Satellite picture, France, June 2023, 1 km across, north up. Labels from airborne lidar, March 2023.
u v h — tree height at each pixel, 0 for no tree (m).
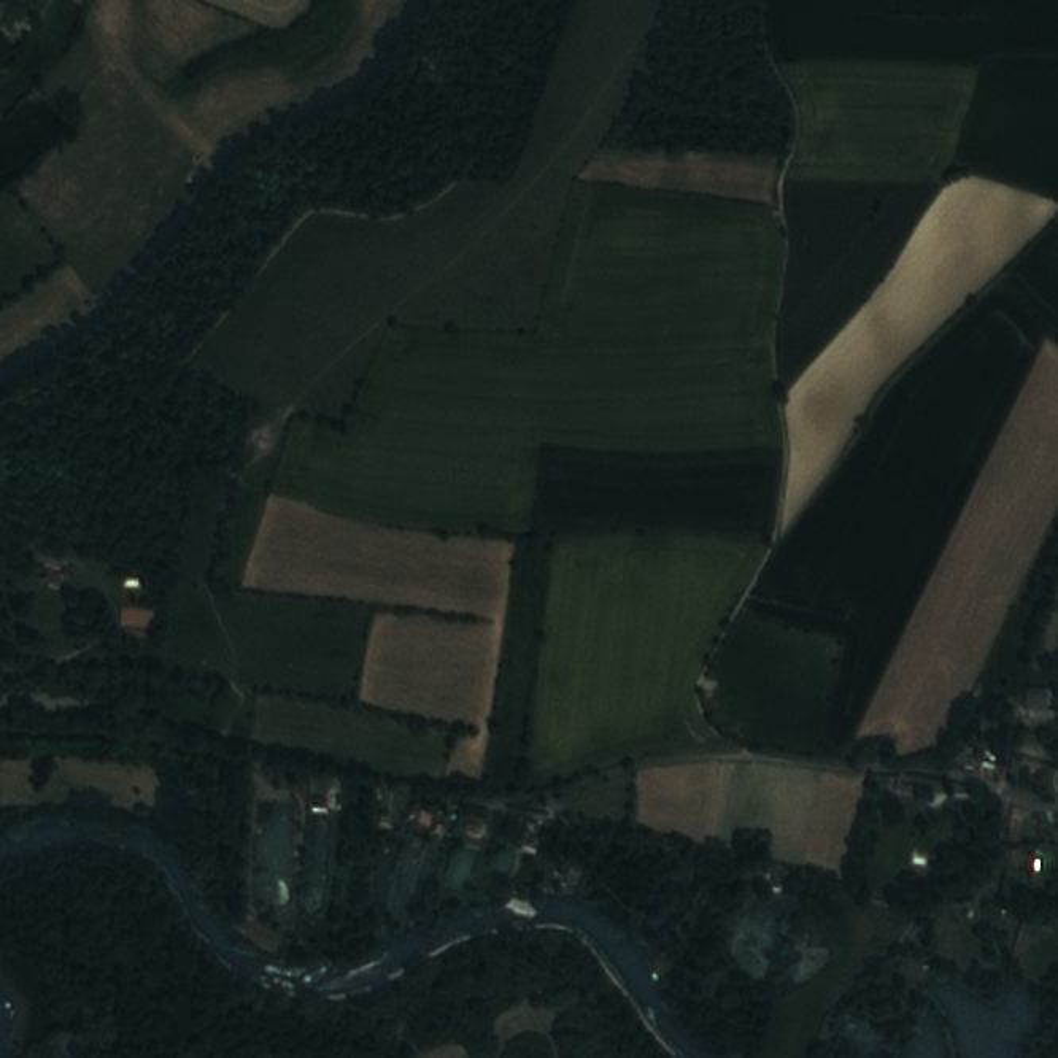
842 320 0
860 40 0
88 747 11
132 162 0
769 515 0
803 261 0
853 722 0
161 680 21
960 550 0
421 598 0
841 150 0
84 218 0
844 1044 9
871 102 0
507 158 14
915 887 21
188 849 18
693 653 0
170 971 11
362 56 0
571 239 0
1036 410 0
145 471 21
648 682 0
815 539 0
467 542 0
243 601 0
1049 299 0
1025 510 0
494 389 0
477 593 0
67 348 27
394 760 0
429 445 0
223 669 0
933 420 0
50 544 21
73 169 0
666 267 0
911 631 0
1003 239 0
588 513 0
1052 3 0
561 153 0
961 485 0
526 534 8
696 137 6
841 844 0
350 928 15
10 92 0
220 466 16
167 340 20
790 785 0
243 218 17
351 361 0
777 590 0
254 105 0
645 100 14
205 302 22
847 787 0
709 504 0
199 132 0
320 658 0
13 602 20
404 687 0
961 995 0
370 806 11
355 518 0
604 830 18
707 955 22
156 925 30
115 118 0
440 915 10
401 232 0
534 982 6
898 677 0
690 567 0
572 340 0
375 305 0
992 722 0
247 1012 14
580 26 0
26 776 0
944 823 22
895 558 0
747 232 0
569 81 0
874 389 0
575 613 0
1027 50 0
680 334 0
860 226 0
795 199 0
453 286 0
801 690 0
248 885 9
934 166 0
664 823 0
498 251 0
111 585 0
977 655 0
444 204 0
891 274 0
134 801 0
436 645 0
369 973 0
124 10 0
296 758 16
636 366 0
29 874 27
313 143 20
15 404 20
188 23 0
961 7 0
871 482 0
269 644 0
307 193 21
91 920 27
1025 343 0
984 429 0
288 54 0
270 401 0
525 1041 6
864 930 0
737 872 7
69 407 20
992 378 0
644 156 0
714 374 0
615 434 0
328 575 0
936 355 0
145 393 19
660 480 0
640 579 0
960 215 0
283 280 0
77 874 29
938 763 8
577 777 13
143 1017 21
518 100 14
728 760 0
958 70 0
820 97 0
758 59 20
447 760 7
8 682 15
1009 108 0
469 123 23
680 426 0
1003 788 0
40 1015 0
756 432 0
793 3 0
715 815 0
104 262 0
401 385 0
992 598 0
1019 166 0
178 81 0
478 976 11
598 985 6
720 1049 20
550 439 0
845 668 0
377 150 22
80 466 12
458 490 0
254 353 0
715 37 22
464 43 17
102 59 0
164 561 21
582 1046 5
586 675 0
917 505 0
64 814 12
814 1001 0
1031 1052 15
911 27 0
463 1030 5
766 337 0
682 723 0
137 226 0
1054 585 15
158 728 25
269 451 0
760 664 0
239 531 0
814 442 0
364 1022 17
